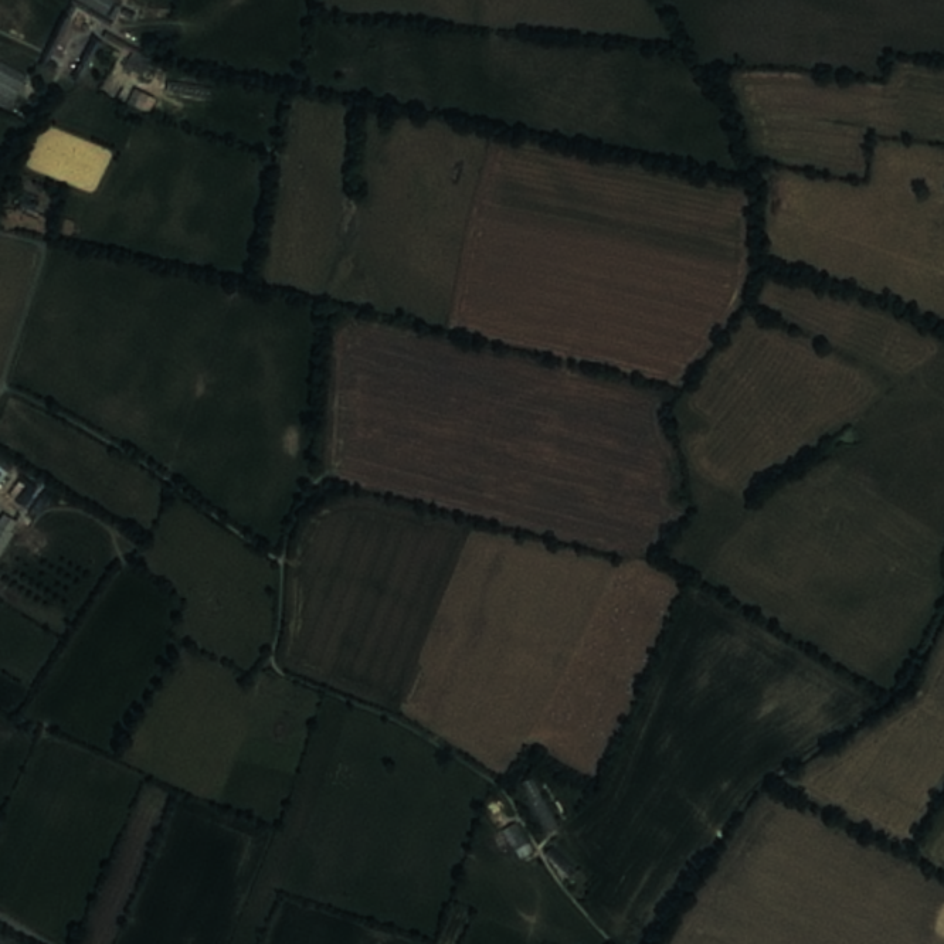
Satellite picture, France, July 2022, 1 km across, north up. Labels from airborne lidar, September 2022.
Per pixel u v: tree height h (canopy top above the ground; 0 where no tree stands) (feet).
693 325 0
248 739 0
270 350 0
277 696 0
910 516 0
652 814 0
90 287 0
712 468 0
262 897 0
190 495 49
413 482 0
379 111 35
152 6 0
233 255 0
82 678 0
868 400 0
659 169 55
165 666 73
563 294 0
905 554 0
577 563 0
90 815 0
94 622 0
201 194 0
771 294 0
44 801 0
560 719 0
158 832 44
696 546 0
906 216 0
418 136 0
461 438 0
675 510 0
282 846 0
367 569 0
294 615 0
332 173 0
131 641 0
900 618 0
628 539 0
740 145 54
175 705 0
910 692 48
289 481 0
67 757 0
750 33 0
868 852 0
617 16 0
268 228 55
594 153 60
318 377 57
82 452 0
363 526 0
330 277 0
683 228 0
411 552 0
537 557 0
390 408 0
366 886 0
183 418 0
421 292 0
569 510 0
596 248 0
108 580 27
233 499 0
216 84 46
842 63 0
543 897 0
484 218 0
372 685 0
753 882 0
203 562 0
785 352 0
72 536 0
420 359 0
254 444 0
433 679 0
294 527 23
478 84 0
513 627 0
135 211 0
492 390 0
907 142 50
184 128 30
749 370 0
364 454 0
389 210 0
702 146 0
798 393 0
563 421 0
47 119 55
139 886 24
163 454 0
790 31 0
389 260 0
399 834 0
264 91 48
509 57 0
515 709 0
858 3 0
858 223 0
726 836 44
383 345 0
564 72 0
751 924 0
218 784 0
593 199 0
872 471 0
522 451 0
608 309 0
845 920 0
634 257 0
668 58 25
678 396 21
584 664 0
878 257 0
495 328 0
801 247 0
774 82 0
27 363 0
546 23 0
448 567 0
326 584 0
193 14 0
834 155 0
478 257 0
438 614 0
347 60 0
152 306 0
